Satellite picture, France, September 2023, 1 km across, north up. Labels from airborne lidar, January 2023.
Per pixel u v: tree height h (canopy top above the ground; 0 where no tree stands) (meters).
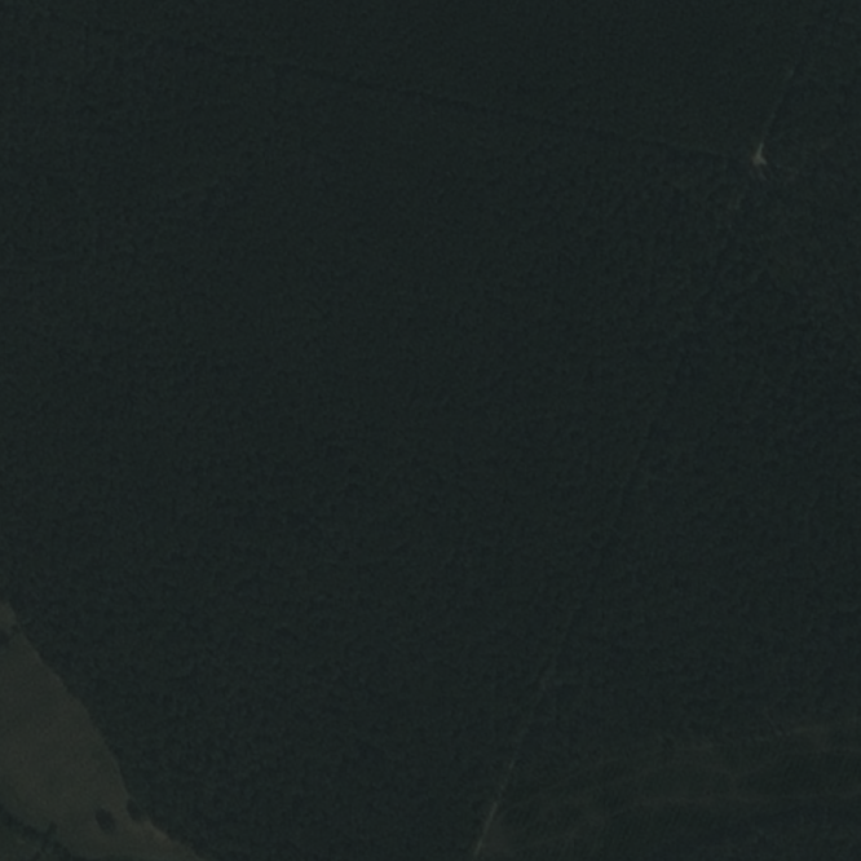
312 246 29
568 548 26
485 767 26
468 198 29
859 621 15
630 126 21
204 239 29
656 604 26
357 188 27
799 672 28
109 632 30
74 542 29
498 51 23
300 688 30
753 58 21
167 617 25
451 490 28
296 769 29
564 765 29
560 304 27
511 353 29
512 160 27
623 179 28
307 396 29
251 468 23
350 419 28
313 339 29
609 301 27
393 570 28
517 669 28
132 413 31
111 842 0
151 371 28
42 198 32
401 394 27
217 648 29
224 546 27
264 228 28
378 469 29
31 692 0
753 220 24
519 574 26
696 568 26
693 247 27
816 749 0
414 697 31
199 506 26
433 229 28
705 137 19
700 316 23
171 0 25
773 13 24
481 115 24
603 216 24
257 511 27
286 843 28
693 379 29
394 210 28
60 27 30
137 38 24
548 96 22
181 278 27
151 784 30
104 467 27
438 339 28
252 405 27
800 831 18
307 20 24
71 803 0
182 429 26
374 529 28
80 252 31
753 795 0
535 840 0
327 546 29
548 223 28
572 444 26
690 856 19
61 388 29
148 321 23
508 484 28
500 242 30
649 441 25
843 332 27
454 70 24
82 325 29
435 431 28
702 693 22
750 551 25
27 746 0
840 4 29
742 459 27
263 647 29
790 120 24
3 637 12
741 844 18
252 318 25
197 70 28
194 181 19
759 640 20
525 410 27
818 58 26
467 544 25
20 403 28
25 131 30
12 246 26
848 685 29
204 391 23
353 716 33
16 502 28
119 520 29
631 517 25
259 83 28
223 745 14
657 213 26
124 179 26
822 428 30
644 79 23
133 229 30
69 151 27
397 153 28
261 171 26
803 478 30
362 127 29
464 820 24
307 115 26
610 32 23
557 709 27
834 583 26
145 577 29
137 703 32
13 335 33
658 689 24
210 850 22
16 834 9
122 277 32
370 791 31
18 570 27
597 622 27
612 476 19
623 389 28
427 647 30
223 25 26
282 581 27
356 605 29
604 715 27
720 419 28
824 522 27
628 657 27
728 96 21
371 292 29
